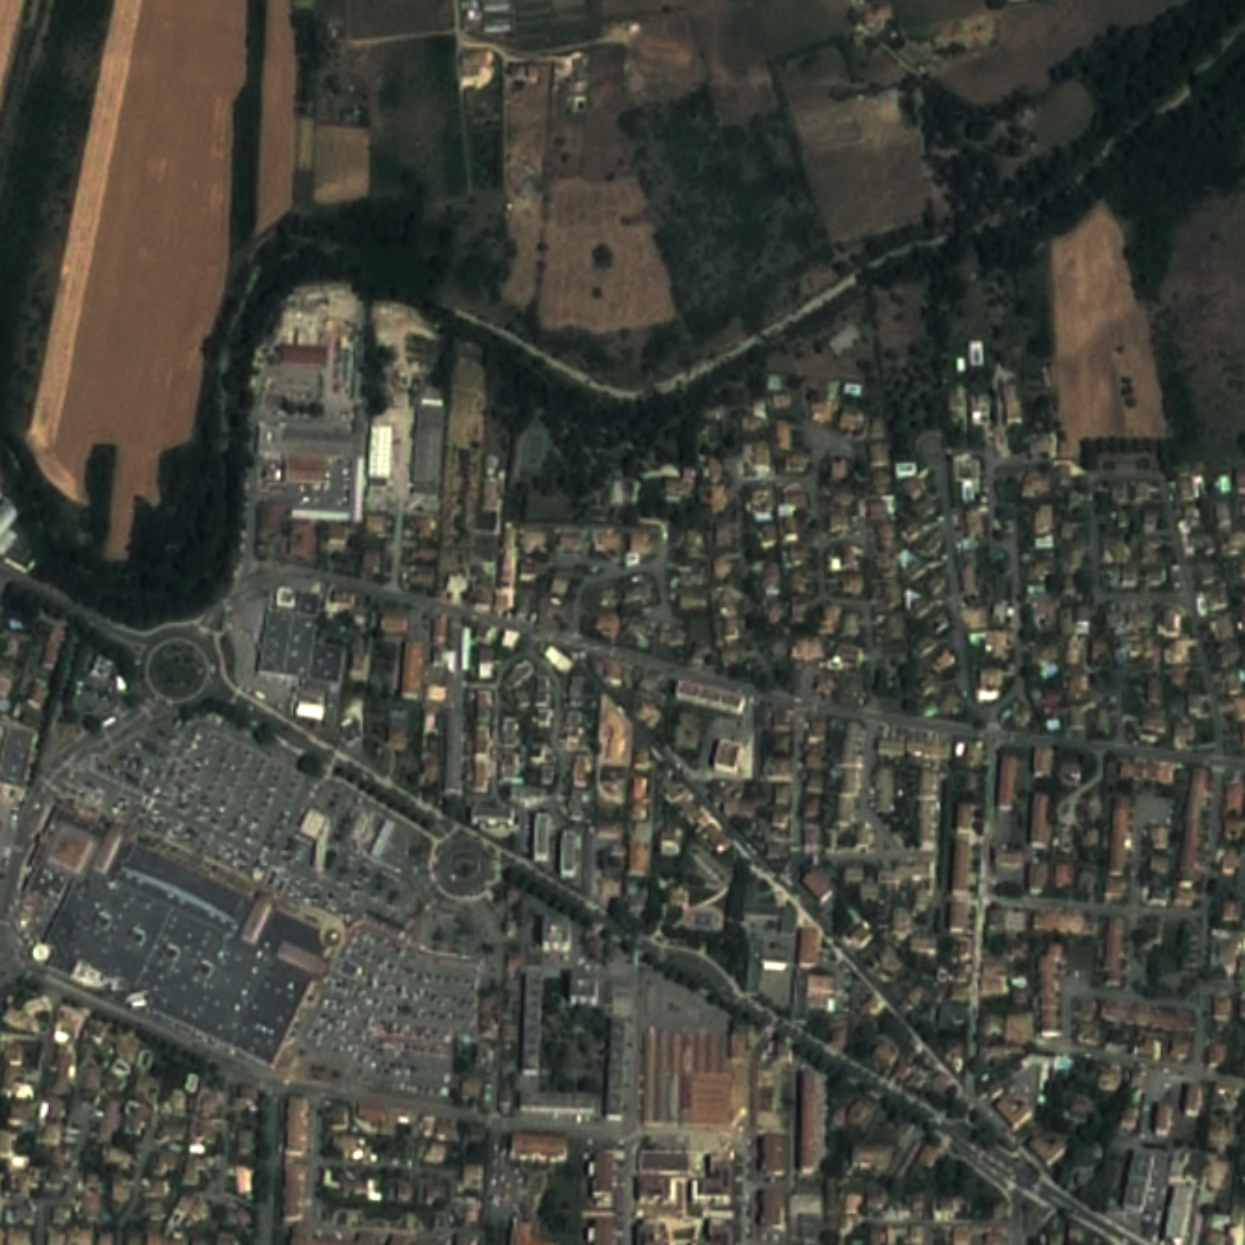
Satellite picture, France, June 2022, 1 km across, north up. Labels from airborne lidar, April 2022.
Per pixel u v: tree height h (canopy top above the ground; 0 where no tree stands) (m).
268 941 0
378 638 14
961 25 0
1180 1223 0
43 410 0
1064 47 0
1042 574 0
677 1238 0
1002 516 14
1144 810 0
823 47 6
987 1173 0
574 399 12
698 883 10
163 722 0
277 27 0
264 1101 12
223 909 0
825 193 0
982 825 7
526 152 0
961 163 17
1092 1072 10
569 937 0
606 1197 0
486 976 0
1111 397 0
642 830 0
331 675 0
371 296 10
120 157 0
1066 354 0
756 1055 0
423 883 0
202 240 0
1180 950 9
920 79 7
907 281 19
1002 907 7
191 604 13
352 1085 0
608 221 0
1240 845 7
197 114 0
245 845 0
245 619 0
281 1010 0
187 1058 8
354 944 0
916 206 0
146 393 0
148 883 0
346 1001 0
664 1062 0
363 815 0
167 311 0
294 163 0
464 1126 8
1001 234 27
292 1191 0
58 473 0
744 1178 0
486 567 0
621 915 19
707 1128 0
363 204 8
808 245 6
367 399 9
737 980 7
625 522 10
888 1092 0
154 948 0
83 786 0
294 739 0
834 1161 8
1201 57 17
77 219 0
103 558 0
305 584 0
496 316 0
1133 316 0
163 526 11
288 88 0
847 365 0
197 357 0
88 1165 7
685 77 0
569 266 0
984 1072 14
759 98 0
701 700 0
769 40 0
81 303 0
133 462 0
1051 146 0
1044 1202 0
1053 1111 11
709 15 0
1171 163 6
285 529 6
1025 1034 0
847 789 0
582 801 0
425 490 0
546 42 0
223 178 0
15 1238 0
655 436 15
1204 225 0
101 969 0
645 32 0
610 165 0
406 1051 0
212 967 0
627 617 9
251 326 21
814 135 0
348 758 0
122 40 0
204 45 0
